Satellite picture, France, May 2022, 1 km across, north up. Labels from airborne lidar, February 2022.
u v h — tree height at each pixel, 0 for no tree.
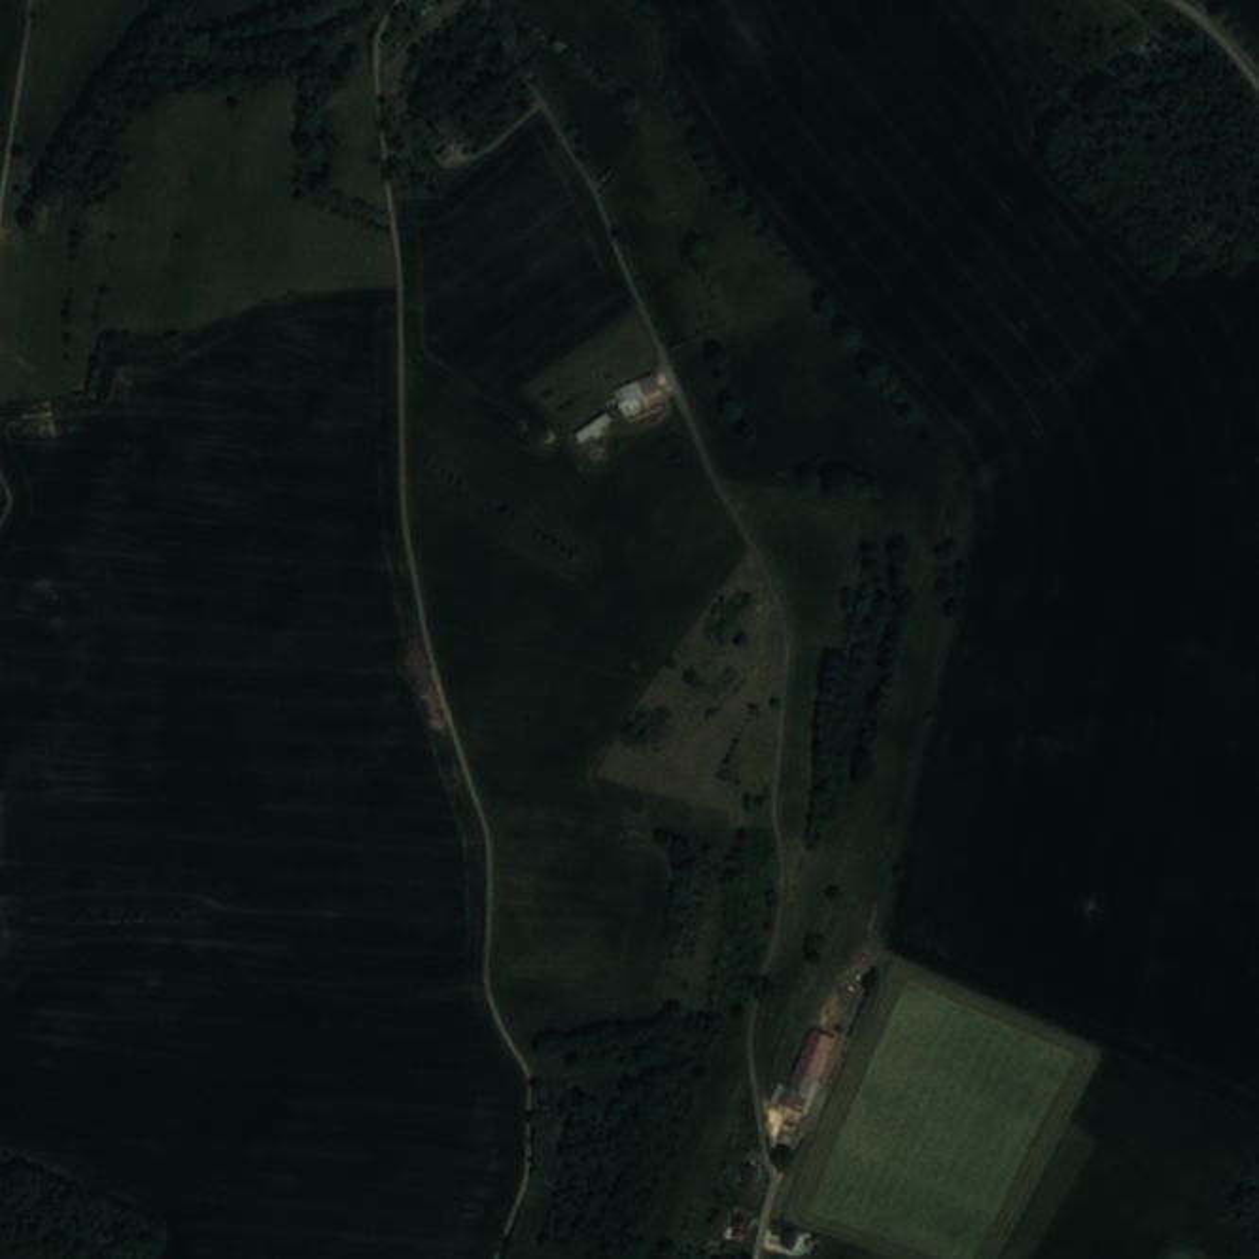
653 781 0
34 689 0
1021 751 0
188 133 0
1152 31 0
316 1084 0
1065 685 0
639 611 0
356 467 0
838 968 0
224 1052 0
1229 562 0
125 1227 24
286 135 0
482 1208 0
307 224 0
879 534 0
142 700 0
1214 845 0
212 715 0
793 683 0
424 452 0
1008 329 0
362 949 0
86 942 0
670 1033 17
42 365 0
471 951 0
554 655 0
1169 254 24
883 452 0
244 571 0
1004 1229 0
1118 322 0
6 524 0
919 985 0
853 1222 0
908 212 0
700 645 0
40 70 0
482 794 0
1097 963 0
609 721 0
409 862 0
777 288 0
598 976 0
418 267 0
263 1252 0
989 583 0
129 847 0
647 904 0
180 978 0
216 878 0
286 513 0
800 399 0
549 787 0
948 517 0
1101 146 28
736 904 6
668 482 0
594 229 0
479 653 0
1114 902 0
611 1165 10
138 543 0
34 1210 27
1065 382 0
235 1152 0
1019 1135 0
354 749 0
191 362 0
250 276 0
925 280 0
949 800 0
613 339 0
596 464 0
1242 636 0
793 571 0
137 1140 0
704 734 0
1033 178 0
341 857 0
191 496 0
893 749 0
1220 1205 0
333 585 0
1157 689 0
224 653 0
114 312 0
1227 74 15
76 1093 0
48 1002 0
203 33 18
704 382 0
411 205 0
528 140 0
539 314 0
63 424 0
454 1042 0
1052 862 0
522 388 0
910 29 0
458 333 0
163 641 0
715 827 0
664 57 0
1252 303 0
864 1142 0
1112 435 0
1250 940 0
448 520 0
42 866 0
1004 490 0
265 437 0
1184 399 0
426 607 0
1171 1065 0
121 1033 0
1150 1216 0
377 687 0
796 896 0
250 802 0
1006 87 0
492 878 0
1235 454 0
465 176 0
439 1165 0
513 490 0
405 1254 0
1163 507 0
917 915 0
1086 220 0
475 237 0
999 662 0
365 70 0
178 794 0
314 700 0
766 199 0
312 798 0
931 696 0
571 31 0
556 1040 15
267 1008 0
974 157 0
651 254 0
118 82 18
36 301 0
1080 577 0
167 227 0
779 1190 0
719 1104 0
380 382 0
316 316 0
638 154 0
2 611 0
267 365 0
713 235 0
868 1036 0
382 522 0
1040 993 0
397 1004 0
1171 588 0
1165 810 0
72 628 0
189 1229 0
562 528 0
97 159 20
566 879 0
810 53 0
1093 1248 0
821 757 13
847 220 0
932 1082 0
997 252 0
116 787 0
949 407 0
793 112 0
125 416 0
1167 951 0
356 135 0
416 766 0
